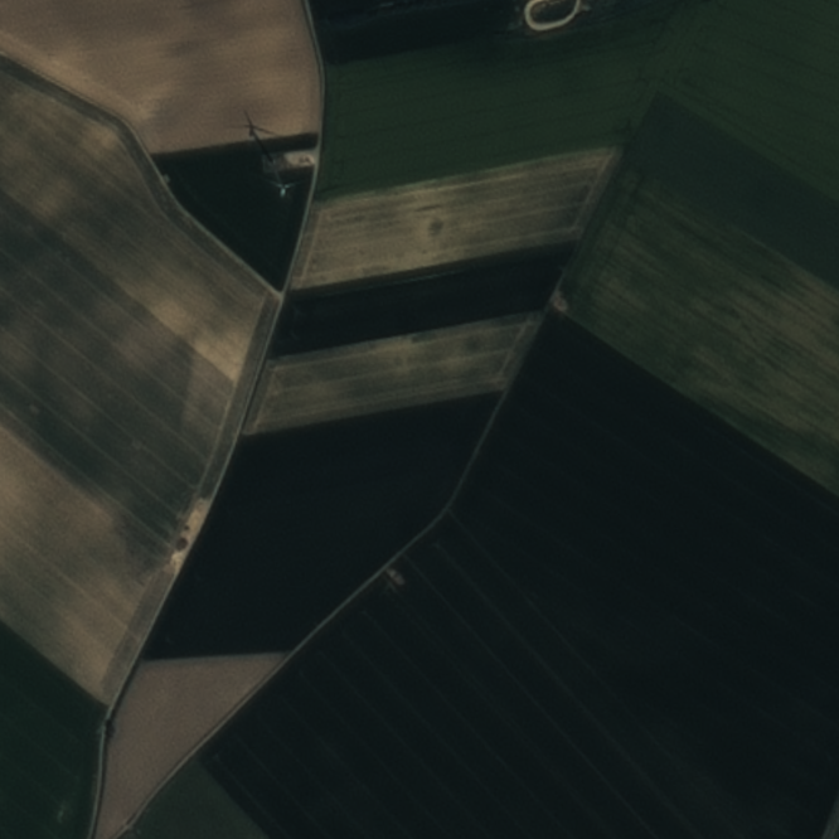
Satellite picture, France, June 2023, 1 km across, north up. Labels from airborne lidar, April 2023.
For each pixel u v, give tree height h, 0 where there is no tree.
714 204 0
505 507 0
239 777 0
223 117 0
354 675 0
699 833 0
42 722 0
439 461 0
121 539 0
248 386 0
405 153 0
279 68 0
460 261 0
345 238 0
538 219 0
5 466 0
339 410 0
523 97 0
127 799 0
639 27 0
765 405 0
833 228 0
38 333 0
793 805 0
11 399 0
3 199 0
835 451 0
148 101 0
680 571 0
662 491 0
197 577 0
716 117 0
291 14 0
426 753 0
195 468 0
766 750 0
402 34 0
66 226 0
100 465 0
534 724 0
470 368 0
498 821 0
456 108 0
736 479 0
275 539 0
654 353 0
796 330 0
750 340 0
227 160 0
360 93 0
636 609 0
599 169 0
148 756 0
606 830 0
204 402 0
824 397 0
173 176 0
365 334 0
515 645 0
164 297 0
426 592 0
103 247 0
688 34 0
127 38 0
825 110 0
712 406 0
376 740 0
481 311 0
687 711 0
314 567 0
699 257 0
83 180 0
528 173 0
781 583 0
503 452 0
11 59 0
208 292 0
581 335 0
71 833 0
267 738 0
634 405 0
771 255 0
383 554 0
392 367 0
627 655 0
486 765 0
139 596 0
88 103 0
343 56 0
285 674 0
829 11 0
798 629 0
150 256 0
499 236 0
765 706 0
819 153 0
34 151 0
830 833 0
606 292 0
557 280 0
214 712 0
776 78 0
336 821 0
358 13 13
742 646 0
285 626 0
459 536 0
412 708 0
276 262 0
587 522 0
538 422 0
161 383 0
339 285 0
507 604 0
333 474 0
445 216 0
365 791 0
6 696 0
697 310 0
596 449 0
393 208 0
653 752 0
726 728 0
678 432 0
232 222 0
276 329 0
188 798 0
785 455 0
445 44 0
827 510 0
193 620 0
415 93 0
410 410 0
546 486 0
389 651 0
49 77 0
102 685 0
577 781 0
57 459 0
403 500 0
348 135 0
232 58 0
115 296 0
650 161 0
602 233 0
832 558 0
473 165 0
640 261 0
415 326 0
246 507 0
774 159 0
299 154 0
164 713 0
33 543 0
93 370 0
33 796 0
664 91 0
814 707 0
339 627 0
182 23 0
